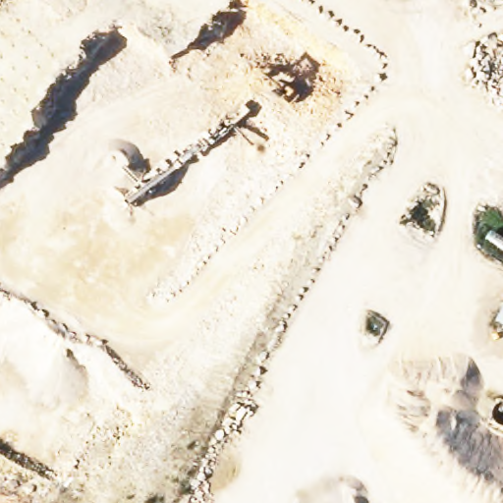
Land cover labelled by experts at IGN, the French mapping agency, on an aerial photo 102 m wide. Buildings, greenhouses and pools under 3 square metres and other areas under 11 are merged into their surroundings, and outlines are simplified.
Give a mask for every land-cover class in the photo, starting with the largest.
<instances>
[{"label":"pervious surface","instance_id":"1","mask_svg":"<svg viewBox=\"0 0 503 503\"><path fill-rule=\"evenodd\" d=\"M485 206H495L503 212V0H0V503H503V265L495 259L485 257L475 244L474 216L475 212H483Z\"/></svg>","mask_w":503,"mask_h":503},{"label":"herbaceous vegetation","instance_id":"2","mask_svg":"<svg viewBox=\"0 0 503 503\"><path fill-rule=\"evenodd\" d=\"M475 244L485 257L495 259L503 265V212L495 206H485L483 212H475L474 216Z\"/></svg>","mask_w":503,"mask_h":503}]
</instances>
